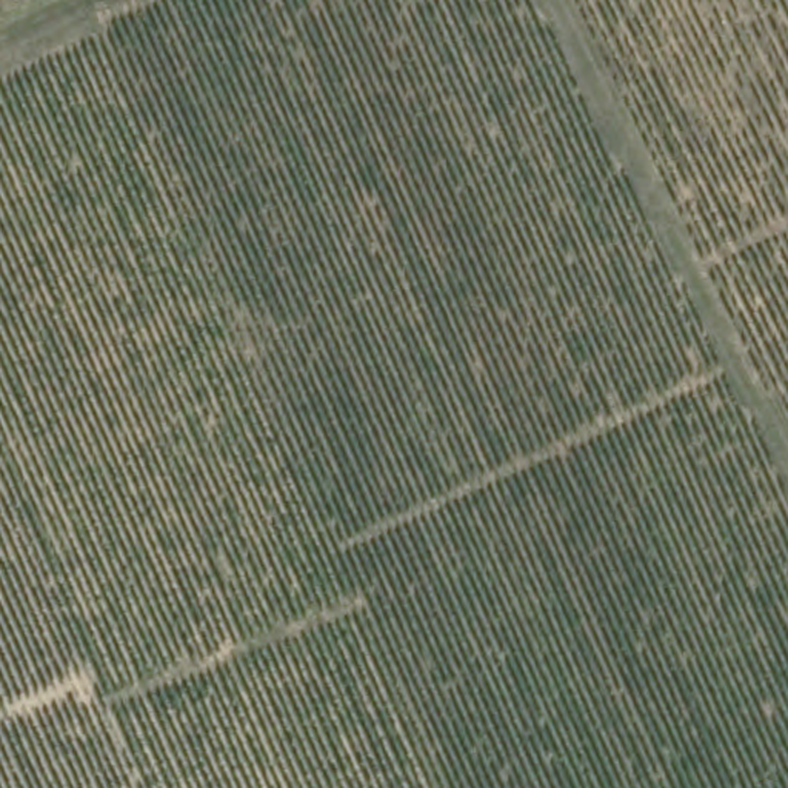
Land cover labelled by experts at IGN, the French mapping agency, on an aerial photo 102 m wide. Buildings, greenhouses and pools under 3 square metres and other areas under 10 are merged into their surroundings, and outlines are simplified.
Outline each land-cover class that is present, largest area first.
<instances>
[{"label":"vineyard","instance_id":"1","mask_svg":"<svg viewBox=\"0 0 788 788\"><path fill-rule=\"evenodd\" d=\"M579 12L585 34L594 37V55L609 71L613 83H634L640 92V99L622 95V105L640 132V142L649 148L659 166V179L668 197L659 203V209L674 219V225H683L690 240L696 243L690 262L699 277L686 283L680 274H671L668 255L659 243V234L649 225V212L631 175L613 169L603 132L594 123L588 99L573 95L576 74L569 71L560 37L551 25L539 22L533 0H157L148 9L111 18V31L105 37H86L74 49L49 55L12 74L9 80H0V788H788V0H569Z\"/></svg>","mask_w":788,"mask_h":788},{"label":"herbaceous vegetation","instance_id":"2","mask_svg":"<svg viewBox=\"0 0 788 788\"><path fill-rule=\"evenodd\" d=\"M157 0H0V80H9L12 74L49 55L74 49L86 37H105L111 31V18L148 9ZM539 22L551 25L560 37L569 71L576 74L573 95L588 99L594 123L603 132L613 169L631 175L649 212V225L659 234V243L668 255L671 274H680L686 283L699 277L690 262L696 243L690 240L683 225H674V219L659 209V203L668 197L659 179V166L649 148L640 142V132L622 105V95L640 99V92L634 83H613L609 71L594 55V37L585 34L579 12L569 0H533Z\"/></svg>","mask_w":788,"mask_h":788}]
</instances>
